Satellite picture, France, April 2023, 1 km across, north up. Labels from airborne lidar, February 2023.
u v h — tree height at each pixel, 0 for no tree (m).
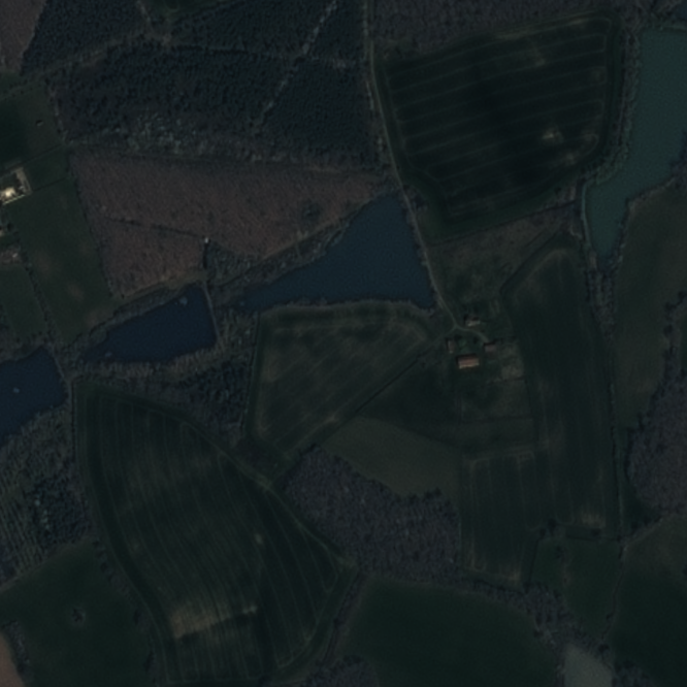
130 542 0
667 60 0
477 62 0
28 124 0
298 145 14
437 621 0
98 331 9
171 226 20
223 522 0
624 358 0
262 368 0
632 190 0
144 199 22
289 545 0
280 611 0
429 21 23
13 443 16
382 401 0
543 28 0
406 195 13
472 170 0
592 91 0
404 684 0
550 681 0
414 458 0
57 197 0
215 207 21
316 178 20
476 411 0
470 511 0
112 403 0
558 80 0
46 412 9
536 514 0
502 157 0
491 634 0
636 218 0
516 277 0
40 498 6
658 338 0
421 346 0
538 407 0
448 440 0
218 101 16
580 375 0
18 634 6
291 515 0
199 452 0
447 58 0
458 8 21
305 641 0
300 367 0
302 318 0
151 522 0
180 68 16
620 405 0
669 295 0
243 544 0
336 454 0
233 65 17
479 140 0
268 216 21
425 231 0
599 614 0
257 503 0
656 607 0
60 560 0
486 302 0
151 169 20
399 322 0
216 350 25
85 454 0
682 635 0
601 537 17
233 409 15
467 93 0
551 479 0
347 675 24
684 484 21
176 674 0
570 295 0
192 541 0
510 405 0
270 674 0
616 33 0
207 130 16
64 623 0
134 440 0
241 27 18
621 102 9
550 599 21
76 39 14
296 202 20
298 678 0
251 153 12
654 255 0
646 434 17
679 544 0
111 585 13
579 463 0
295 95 17
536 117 0
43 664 0
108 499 0
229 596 0
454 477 0
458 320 0
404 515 22
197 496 0
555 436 0
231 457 0
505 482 0
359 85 12
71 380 12
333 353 0
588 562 0
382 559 21
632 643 0
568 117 0
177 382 0
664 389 19
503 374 0
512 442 0
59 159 0
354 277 0
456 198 0
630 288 0
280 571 0
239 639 0
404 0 22
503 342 8
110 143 17
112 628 0
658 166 0
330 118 16
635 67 14
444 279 0
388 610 0
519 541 0
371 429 0
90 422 0
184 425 0
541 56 0
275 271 11
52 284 0
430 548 17
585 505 0
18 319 0
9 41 16
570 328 0
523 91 0
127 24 15
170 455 0
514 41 0
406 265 0
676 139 0
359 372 0
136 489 0
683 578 0
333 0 13
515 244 0
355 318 0
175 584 0
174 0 0
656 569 0
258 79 16
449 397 0
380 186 9
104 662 0
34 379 0
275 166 0
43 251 0
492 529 0
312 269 0
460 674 0
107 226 18
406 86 0
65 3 13
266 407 0
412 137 0
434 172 0
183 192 21
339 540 19
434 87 0
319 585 0
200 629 0
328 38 17
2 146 0
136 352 0
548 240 0
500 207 0
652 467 20
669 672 0
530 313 0
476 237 0
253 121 14
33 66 15
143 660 0
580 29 0
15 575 27
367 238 0
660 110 0
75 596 0
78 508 16
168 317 0
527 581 0
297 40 15
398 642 0
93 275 0
